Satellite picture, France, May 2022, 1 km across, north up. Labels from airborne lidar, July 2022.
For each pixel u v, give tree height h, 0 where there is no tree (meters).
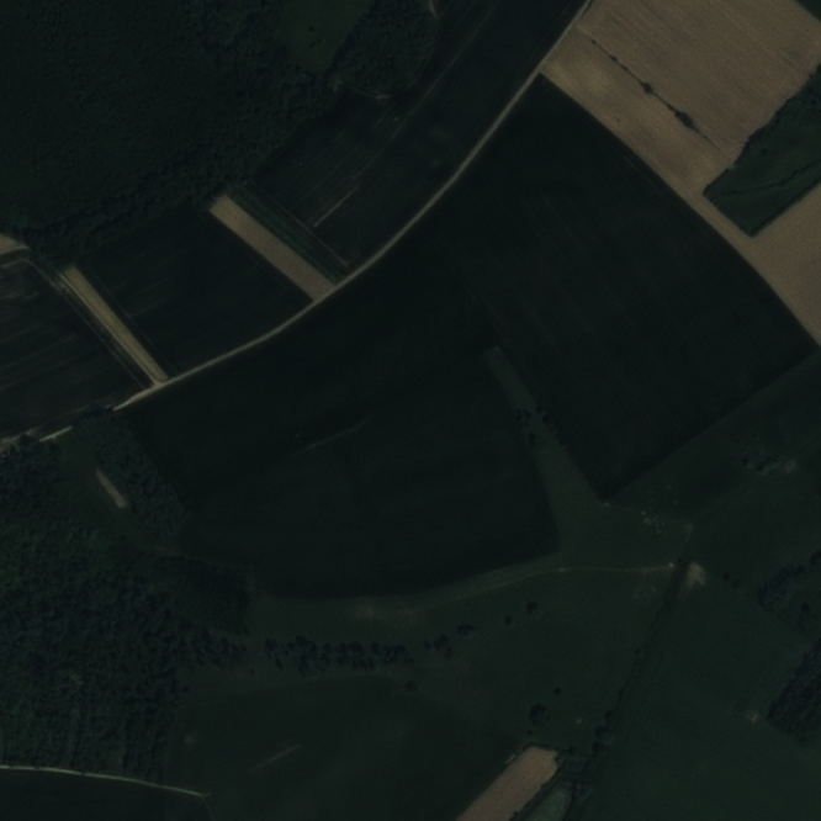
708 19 0
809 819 0
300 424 0
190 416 0
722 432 0
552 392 0
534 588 0
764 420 0
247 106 18
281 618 0
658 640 0
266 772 0
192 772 0
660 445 0
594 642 0
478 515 0
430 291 0
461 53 0
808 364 0
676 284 0
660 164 0
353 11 0
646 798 0
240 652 19
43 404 0
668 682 0
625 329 0
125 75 11
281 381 0
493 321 0
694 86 0
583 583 0
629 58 0
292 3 7
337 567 0
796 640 0
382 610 0
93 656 27
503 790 0
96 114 12
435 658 0
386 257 0
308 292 0
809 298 0
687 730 0
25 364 0
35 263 0
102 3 15
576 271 0
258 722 0
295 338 0
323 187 0
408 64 25
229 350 0
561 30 0
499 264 0
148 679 6
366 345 0
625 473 0
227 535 0
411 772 0
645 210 0
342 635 0
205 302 0
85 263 0
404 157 0
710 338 0
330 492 0
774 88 0
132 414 0
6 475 29
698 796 0
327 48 0
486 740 0
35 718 18
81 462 0
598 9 0
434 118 0
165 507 21
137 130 12
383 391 0
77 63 10
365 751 0
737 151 0
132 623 21
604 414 0
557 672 0
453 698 0
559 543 0
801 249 0
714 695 0
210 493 0
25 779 0
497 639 0
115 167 9
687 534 0
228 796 0
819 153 0
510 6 0
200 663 27
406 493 0
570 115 0
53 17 10
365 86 14
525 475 0
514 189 0
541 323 0
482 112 0
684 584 0
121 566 8
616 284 0
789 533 0
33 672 27
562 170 0
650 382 0
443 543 0
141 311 0
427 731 0
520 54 0
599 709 0
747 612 0
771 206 0
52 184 10
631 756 0
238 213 0
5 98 9
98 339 0
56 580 10
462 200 0
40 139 9
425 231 0
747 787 0
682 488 0
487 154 0
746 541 0
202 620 11
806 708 20
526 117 0
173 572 11
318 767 0
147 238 0
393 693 0
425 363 0
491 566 0
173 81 16
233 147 20
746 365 0
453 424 0
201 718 0
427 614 0
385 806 0
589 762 8
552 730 0
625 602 0
